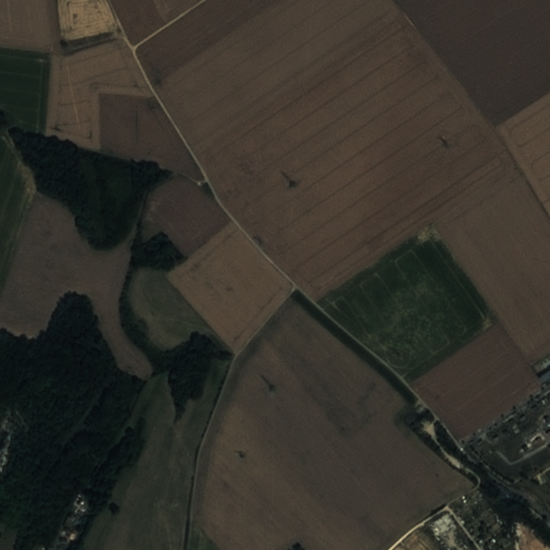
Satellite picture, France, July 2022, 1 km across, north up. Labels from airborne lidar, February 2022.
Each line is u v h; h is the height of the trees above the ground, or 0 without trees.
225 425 0
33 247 0
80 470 21
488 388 0
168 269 16
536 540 0
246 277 0
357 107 0
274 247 0
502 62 0
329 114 0
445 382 0
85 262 0
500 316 0
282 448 0
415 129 0
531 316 0
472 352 0
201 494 0
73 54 0
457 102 0
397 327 0
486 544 6
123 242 0
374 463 0
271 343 0
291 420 0
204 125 0
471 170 0
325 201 0
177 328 0
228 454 0
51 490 19
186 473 0
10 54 0
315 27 0
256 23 0
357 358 0
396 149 0
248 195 0
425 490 0
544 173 0
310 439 0
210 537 0
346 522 0
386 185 0
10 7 0
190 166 0
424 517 0
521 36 0
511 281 0
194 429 0
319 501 0
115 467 20
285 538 0
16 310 0
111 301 0
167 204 0
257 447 0
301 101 0
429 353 0
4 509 14
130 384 0
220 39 0
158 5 0
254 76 0
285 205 0
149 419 0
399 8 0
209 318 0
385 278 0
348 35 0
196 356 26
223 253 0
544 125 0
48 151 21
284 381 0
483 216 0
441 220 0
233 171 0
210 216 0
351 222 0
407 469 0
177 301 0
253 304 0
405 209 0
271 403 0
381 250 0
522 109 0
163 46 0
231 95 0
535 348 0
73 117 0
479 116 0
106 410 21
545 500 0
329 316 0
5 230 0
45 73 0
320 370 0
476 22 0
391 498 0
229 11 0
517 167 0
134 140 0
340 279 0
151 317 0
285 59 0
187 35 0
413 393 0
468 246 0
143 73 0
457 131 0
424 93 0
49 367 29
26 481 19
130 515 0
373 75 0
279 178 0
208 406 0
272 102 0
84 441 25
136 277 0
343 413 0
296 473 0
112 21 0
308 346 0
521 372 0
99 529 0
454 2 0
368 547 0
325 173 0
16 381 15
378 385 0
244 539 0
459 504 0
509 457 0
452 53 0
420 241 0
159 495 0
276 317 0
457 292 0
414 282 0
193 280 0
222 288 0
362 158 0
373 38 0
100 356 24
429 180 0
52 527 20
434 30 0
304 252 0
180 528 0
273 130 0
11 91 0
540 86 0
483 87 0
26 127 0
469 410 0
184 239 0
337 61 0
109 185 0
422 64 0
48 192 7
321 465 0
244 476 0
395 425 0
